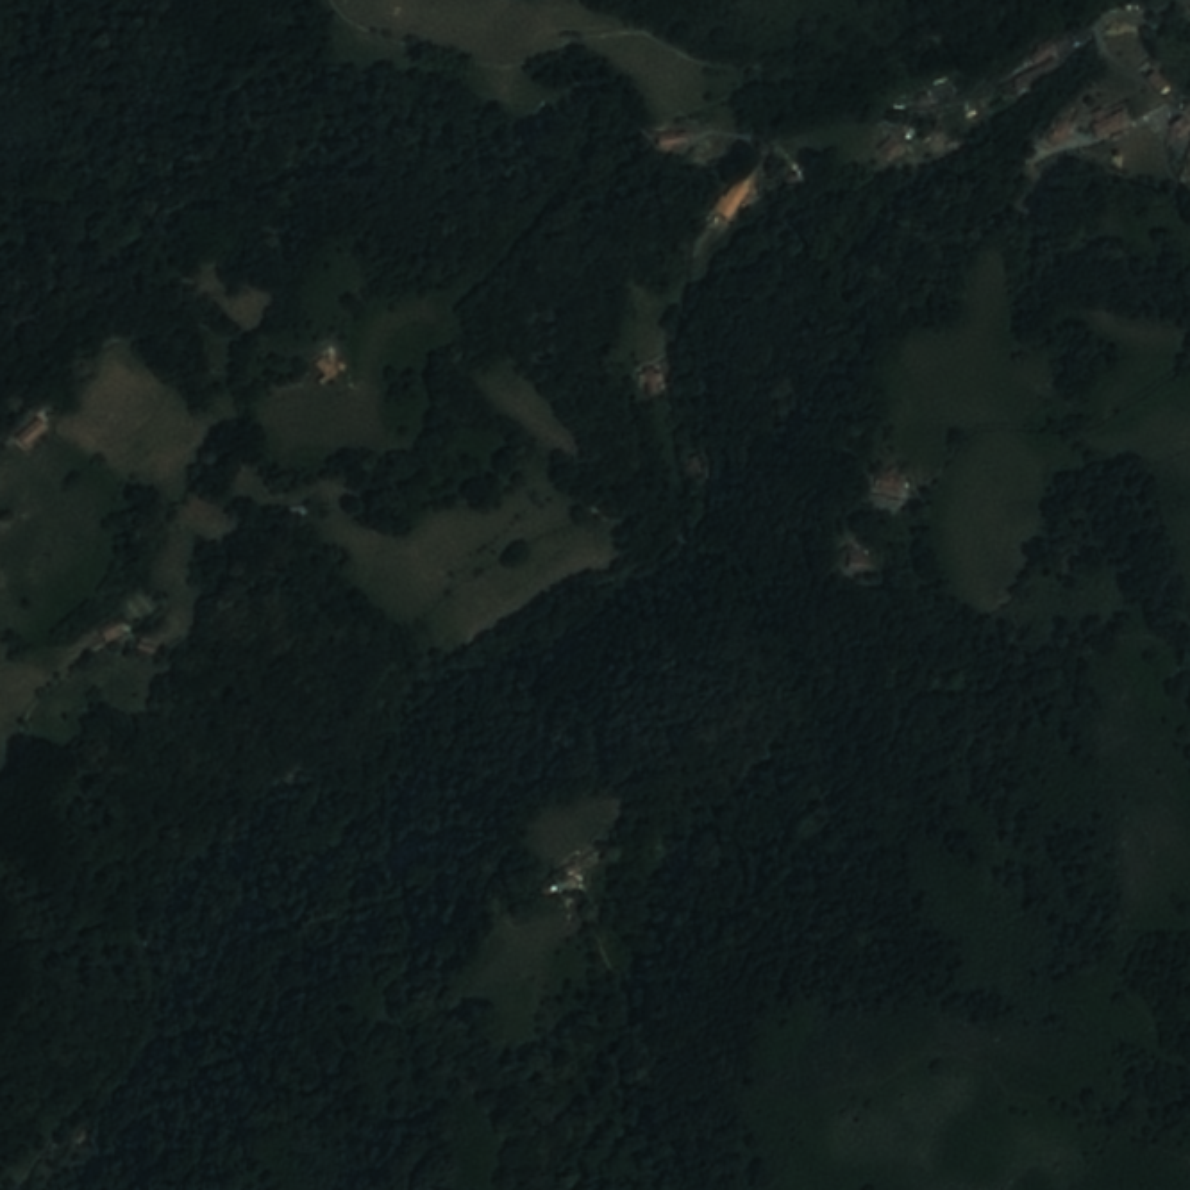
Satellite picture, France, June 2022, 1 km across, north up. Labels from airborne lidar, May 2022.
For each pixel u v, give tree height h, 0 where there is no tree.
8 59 17
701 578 31
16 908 28
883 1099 0
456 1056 22
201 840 18
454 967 16
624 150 19
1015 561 0
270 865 27
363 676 26
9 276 10
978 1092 0
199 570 12
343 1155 9
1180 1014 9
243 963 23
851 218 20
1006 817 10
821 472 22
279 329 10
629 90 13
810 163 22
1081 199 20
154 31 18
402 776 20
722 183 6
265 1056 33
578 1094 10
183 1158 24
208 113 20
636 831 30
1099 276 12
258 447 19
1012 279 6
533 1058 29
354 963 25
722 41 17
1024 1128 0
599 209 25
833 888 24
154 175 28
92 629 6
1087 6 16
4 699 0
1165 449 0
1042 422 0
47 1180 9
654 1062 23
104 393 0
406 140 18
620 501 18
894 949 17
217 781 15
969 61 23
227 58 18
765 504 25
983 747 17
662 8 9
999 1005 16
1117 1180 0
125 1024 23
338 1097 23
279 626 24
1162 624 22
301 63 6
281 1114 27
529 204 16
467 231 17
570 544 0
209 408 7
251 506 22
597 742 9
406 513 19
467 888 22
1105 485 18
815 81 14
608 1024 20
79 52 15
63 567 0
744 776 24
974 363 0
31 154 23
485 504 21
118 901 26
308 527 19
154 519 26
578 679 27
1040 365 0
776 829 12
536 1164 25
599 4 13
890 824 19
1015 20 21
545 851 0
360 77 20
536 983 8
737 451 21
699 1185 19
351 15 0
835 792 14
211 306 13
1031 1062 0
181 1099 21
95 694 7
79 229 17
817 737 17
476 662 22
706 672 17
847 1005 8
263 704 24
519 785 12
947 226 19
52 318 16
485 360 19
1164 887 0
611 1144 11
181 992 10
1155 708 0
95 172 18
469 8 0
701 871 25
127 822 17
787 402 30
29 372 17
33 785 26
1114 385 0
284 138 25
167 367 28
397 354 0
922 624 20
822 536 16
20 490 0
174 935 24
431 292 7
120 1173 24
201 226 20
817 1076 0
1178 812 0
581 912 13
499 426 18
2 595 0
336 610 29
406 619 0
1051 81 9
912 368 0
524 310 25
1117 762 0
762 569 23
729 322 15
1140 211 11
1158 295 16
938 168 11
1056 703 6
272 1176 12
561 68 15
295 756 18
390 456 12
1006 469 0
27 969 28
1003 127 15
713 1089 16
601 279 25
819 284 21
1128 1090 8
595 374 19
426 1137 13
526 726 18
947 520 0
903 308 17
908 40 16
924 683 7
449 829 18
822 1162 0
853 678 17
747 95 19
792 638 25
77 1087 23
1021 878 10
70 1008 18
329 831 26
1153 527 15
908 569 9
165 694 22
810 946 20
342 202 20
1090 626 13
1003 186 7
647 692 20
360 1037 19
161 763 22
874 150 0
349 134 21
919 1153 0
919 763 10
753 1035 16
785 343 18
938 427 0
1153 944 8
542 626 21
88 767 23
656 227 22
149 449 0
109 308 15
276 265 17
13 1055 23
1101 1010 0
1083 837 13
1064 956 10
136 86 14
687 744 11
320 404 0
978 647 17
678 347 14
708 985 20
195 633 9
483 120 23
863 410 9
